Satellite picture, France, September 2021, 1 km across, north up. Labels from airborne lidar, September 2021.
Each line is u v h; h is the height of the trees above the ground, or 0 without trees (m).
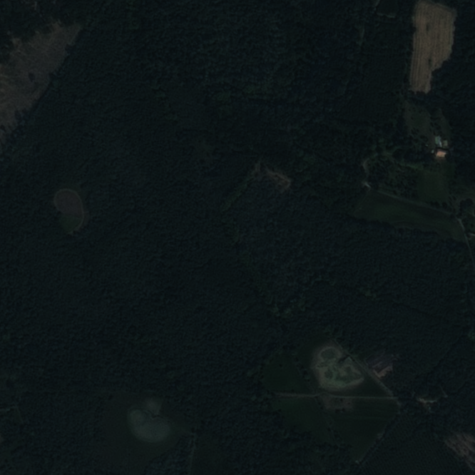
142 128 19
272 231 12
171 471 7
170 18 14
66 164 13
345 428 0
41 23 30
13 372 23
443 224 0
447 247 10
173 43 16
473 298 14
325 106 12
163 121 17
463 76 23
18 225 16
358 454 0
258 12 15
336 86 28
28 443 13
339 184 23
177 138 24
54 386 19
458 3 11
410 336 16
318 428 0
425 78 0
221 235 15
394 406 0
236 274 14
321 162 21
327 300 19
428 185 0
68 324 11
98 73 13
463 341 15
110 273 9
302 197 8
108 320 14
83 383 18
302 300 23
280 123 19
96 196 10
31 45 0
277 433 24
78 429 13
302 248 11
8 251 18
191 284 18
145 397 0
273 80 25
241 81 22
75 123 13
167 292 18
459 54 12
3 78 0
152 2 18
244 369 17
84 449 15
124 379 15
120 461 0
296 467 24
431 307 16
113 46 16
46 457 21
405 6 22
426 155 12
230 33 14
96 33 16
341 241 11
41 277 12
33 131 16
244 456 15
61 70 10
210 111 20
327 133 17
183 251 20
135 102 18
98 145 11
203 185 20
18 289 17
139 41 19
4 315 17
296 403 0
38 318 13
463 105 17
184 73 19
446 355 12
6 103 0
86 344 18
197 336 13
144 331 18
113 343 18
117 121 12
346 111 10
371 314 17
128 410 0
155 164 20
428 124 0
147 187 13
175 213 19
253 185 8
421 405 8
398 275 15
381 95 8
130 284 17
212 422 14
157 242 19
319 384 0
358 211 0
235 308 18
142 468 0
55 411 19
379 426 0
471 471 13
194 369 14
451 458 10
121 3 20
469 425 19
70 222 0
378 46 9
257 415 11
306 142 19
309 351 0
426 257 17
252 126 19
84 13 20
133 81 20
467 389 12
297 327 13
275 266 7
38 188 16
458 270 11
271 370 0
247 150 20
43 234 14
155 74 20
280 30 29
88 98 14
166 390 15
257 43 16
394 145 22
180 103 17
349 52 27
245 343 10
